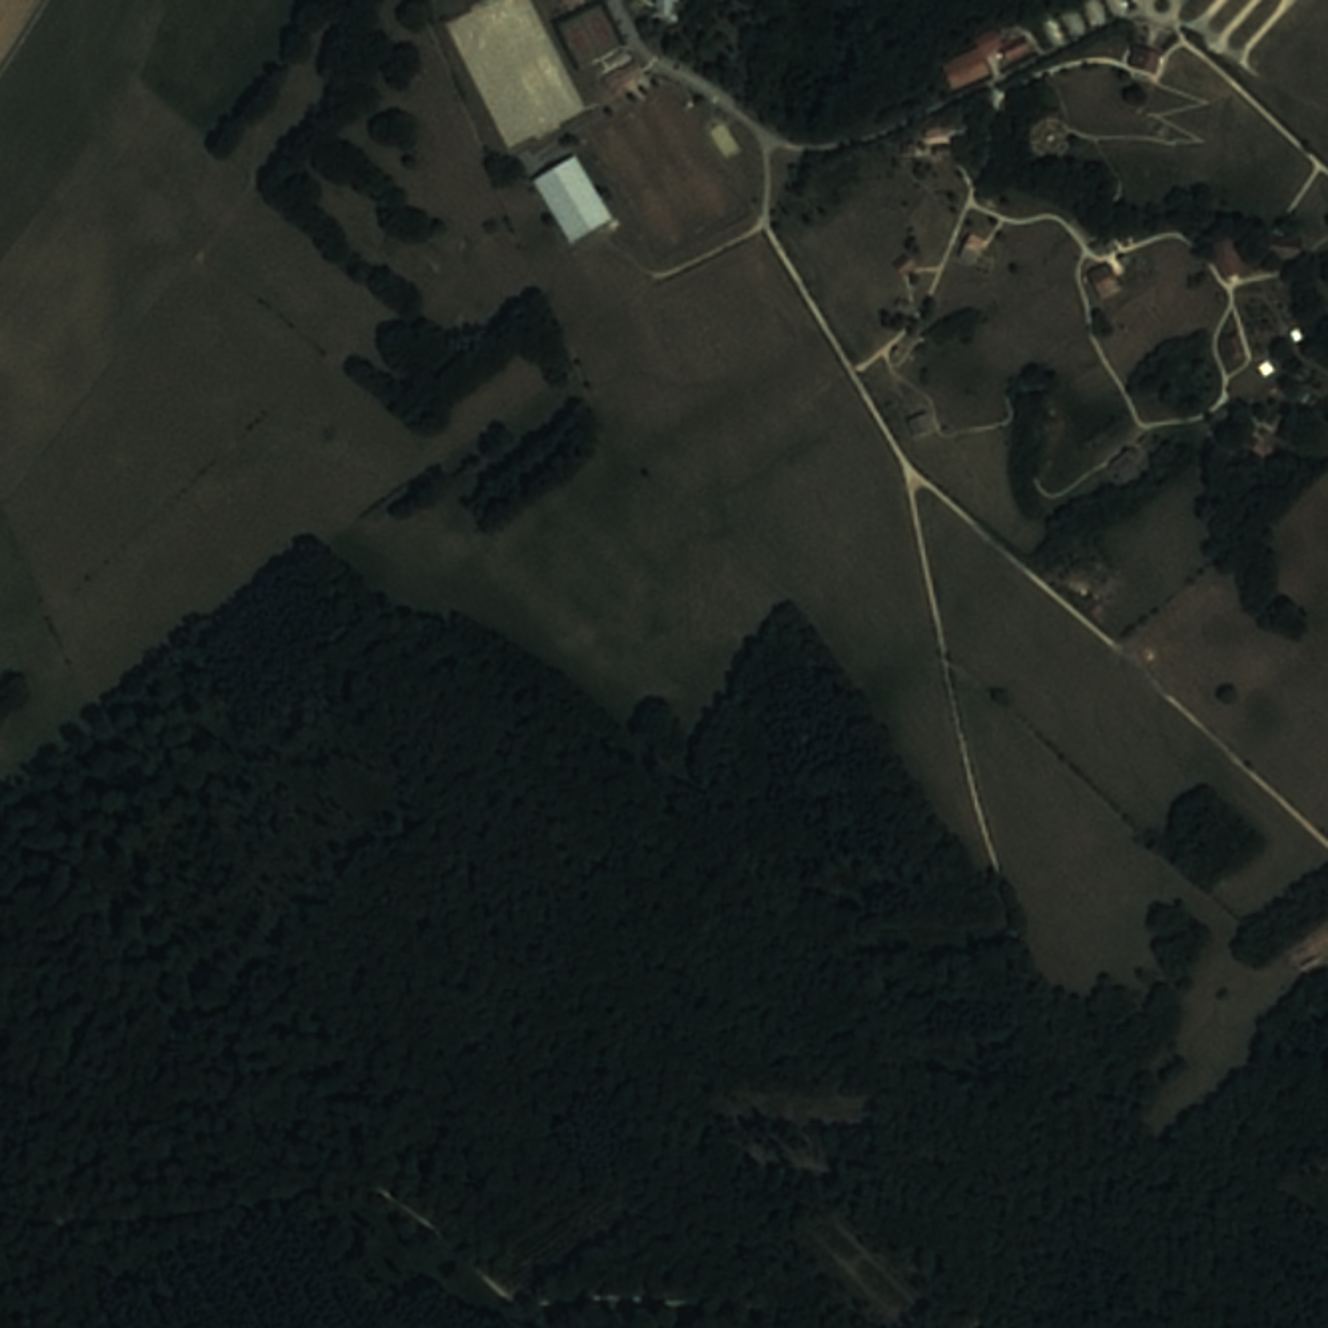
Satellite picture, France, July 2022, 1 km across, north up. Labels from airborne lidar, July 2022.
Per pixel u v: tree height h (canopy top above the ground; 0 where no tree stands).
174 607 0
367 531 0
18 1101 20
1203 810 15
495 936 18
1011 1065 23
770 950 17
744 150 0
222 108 0
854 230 0
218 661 27
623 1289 19
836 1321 27
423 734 18
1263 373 0
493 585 0
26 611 0
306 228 15
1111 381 0
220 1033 31
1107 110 0
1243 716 0
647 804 30
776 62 16
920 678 0
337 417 0
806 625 15
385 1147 35
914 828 21
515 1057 19
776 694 23
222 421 0
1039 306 0
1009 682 0
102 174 0
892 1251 19
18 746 0
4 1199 21
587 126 0
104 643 0
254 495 0
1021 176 12
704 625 0
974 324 7
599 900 20
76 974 22
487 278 0
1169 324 0
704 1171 23
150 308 0
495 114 0
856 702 22
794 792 23
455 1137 32
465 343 19
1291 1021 17
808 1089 25
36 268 0
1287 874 0
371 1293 16
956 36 20
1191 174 0
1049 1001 15
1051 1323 26
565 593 0
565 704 17
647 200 0
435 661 18
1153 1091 18
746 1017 20
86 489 0
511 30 0
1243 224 16
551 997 19
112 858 8
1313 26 0
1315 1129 20
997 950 20
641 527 0
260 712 27
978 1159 22
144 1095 24
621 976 20
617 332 0
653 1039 22
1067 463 0
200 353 0
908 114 12
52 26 0
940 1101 22
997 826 0
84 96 0
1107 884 0
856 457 0
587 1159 28
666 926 20
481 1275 19
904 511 0
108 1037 29
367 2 23
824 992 23
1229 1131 18
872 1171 21
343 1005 25
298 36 17
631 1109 23
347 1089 9
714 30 14
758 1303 26
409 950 21
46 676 0
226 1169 29
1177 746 0
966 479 0
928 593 0
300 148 20
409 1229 25
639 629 0
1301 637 18
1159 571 0
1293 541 0
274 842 25
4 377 0
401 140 14
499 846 20
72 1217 24
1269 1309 23
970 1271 20
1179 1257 24
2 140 0
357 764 19
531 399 0
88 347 0
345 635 21
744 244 0
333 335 0
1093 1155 19
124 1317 30
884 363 0
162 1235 27
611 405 0
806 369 0
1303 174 0
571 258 0
